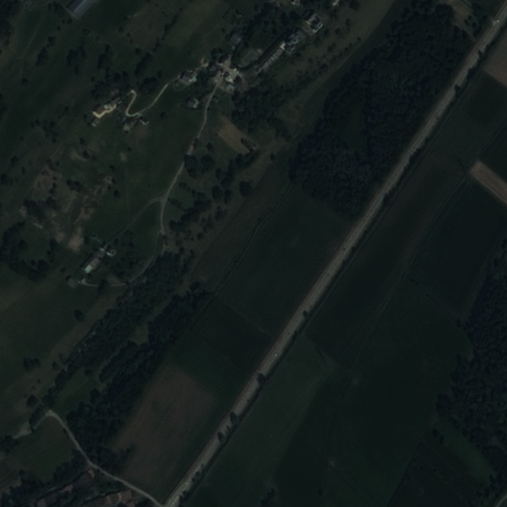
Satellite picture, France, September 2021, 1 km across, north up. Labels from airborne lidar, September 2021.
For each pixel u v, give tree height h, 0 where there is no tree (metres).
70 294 0
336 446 0
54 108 0
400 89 11
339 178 19
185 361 0
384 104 24
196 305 20
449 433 0
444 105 0
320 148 26
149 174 0
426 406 0
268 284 0
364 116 0
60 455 0
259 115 11
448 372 0
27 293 0
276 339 0
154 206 0
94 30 0
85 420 21
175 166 0
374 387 0
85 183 0
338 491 0
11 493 0
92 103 0
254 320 0
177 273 20
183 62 0
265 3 0
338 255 0
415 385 0
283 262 0
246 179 0
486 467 0
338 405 0
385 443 0
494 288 23
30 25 0
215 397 0
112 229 0
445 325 0
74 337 0
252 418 0
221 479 0
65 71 0
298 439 0
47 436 0
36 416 14
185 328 20
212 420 0
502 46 0
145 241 0
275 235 0
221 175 17
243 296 0
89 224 0
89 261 0
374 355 0
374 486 0
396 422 0
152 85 13
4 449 14
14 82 0
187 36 0
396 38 12
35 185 0
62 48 0
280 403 0
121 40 0
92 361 17
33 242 0
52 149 0
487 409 19
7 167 0
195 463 0
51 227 0
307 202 0
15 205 0
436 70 25
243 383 0
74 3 0
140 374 26
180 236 9
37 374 0
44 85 0
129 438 0
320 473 0
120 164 0
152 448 0
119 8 0
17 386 0
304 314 7
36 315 0
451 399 10
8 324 0
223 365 0
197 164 21
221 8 0
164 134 0
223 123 0
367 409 0
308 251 0
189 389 0
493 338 28
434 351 0
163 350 26
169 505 0
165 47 0
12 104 0
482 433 18
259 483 0
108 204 0
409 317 0
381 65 21
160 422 0
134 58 0
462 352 0
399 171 0
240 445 0
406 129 25
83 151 0
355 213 34
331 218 0
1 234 0
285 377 0
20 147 0
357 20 0
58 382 18
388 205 12
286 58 9
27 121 0
